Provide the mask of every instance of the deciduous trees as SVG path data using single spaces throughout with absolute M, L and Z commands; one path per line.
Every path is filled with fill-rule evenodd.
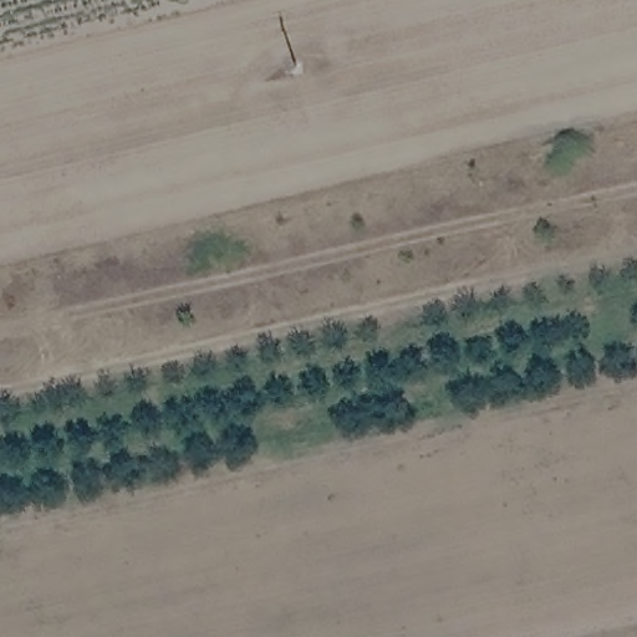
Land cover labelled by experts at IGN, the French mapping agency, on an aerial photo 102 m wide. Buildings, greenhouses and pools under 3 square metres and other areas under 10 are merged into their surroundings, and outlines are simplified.
M 62 438 L 55 435 L 55 425 L 37 425 L 30 435 L 7 433 L 0 438 L 0 515 L 20 513 L 27 505 L 60 508 L 65 503 L 65 488 L 72 483 L 77 500 L 90 503 L 97 495 L 112 490 L 117 493 L 139 485 L 162 485 L 179 478 L 182 473 L 199 475 L 214 463 L 239 468 L 249 463 L 249 458 L 256 453 L 256 438 L 251 433 L 254 413 L 259 413 L 264 406 L 299 406 L 306 398 L 323 396 L 328 386 L 323 368 L 311 366 L 291 378 L 271 376 L 264 386 L 254 386 L 251 378 L 239 378 L 226 391 L 202 388 L 194 396 L 169 396 L 164 403 L 157 406 L 144 401 L 132 408 L 129 416 L 97 418 L 92 428 L 87 425 L 87 421 L 70 421 L 67 435 Z M 174 453 L 169 448 L 152 448 L 144 455 L 132 455 L 124 448 L 124 435 L 137 430 L 144 435 L 174 430 L 174 435 L 184 443 L 184 450 Z
M 316 346 L 341 348 L 346 343 L 346 326 L 331 321 L 314 331 L 289 333 L 294 356 L 314 353 Z
M 214 353 L 199 353 L 189 363 L 162 366 L 162 376 L 167 381 L 182 381 L 182 376 L 207 373 L 216 361 Z
M 276 363 L 279 341 L 269 333 L 261 333 L 261 361 Z
M 495 309 L 508 296 L 508 289 L 498 289 L 490 299 L 475 299 L 475 294 L 468 294 L 455 296 L 450 304 L 433 301 L 423 306 L 421 321 L 423 326 L 440 323 L 455 311 L 460 319 L 473 321 L 478 309 Z
M 605 346 L 602 358 L 592 358 L 587 348 L 572 348 L 567 353 L 570 386 L 590 386 L 602 373 L 610 378 L 637 376 L 637 346 L 612 341 Z
M 498 326 L 498 331 L 493 333 L 458 341 L 448 333 L 440 333 L 428 341 L 430 361 L 423 361 L 416 346 L 406 346 L 401 351 L 376 351 L 368 353 L 363 361 L 343 361 L 333 366 L 338 386 L 346 388 L 353 383 L 368 383 L 368 393 L 351 401 L 341 401 L 328 408 L 328 416 L 333 418 L 343 438 L 361 438 L 371 428 L 378 428 L 381 433 L 411 428 L 416 423 L 416 406 L 406 401 L 403 388 L 408 381 L 423 381 L 428 373 L 443 373 L 448 381 L 450 401 L 458 406 L 458 411 L 470 416 L 475 416 L 485 406 L 500 408 L 518 401 L 540 401 L 550 393 L 557 393 L 560 388 L 557 366 L 550 358 L 552 346 L 557 346 L 565 338 L 587 336 L 590 323 L 582 314 L 537 319 L 530 326 L 508 321 Z

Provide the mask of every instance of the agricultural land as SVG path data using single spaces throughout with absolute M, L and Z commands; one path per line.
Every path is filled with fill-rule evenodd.
M 236 209 L 274 197 L 299 194 L 306 189 L 328 187 L 336 182 L 376 172 L 411 167 L 423 162 L 425 157 L 443 154 L 450 149 L 503 142 L 510 134 L 535 124 L 555 124 L 560 129 L 567 127 L 575 117 L 597 117 L 597 122 L 602 124 L 607 117 L 615 117 L 617 112 L 637 109 L 637 0 L 0 0 L 0 261 L 17 261 L 32 254 L 47 254 L 65 246 L 107 241 L 134 229 L 199 219 L 214 212 Z
M 413 450 L 401 450 L 391 453 L 388 458 L 361 458 L 346 460 L 341 465 L 326 465 L 323 455 L 314 448 L 311 455 L 284 458 L 279 468 L 254 470 L 251 480 L 241 480 L 236 473 L 231 473 L 229 478 L 216 478 L 216 493 L 204 495 L 197 508 L 174 505 L 169 515 L 152 513 L 134 495 L 129 500 L 109 503 L 112 513 L 107 515 L 107 520 L 112 523 L 112 535 L 107 542 L 95 537 L 92 532 L 82 537 L 60 537 L 62 530 L 55 528 L 45 535 L 27 528 L 22 540 L 12 542 L 10 547 L 0 547 L 0 637 L 637 637 L 637 376 L 610 378 L 602 373 L 590 386 L 570 386 L 560 388 L 557 393 L 550 393 L 540 401 L 518 401 L 500 408 L 485 406 L 475 416 L 470 416 L 460 428 L 425 438 L 421 443 L 421 448 L 425 450 L 423 455 L 416 455 Z

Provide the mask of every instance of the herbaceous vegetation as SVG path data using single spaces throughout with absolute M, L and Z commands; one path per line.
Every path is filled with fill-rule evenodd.
M 100 381 L 87 388 L 80 381 L 67 378 L 57 386 L 47 386 L 35 396 L 12 398 L 7 393 L 0 393 L 0 438 L 7 433 L 30 435 L 37 425 L 55 425 L 55 435 L 62 438 L 67 435 L 70 421 L 87 421 L 87 425 L 92 428 L 97 418 L 129 416 L 132 408 L 144 401 L 157 406 L 164 403 L 169 396 L 194 396 L 202 388 L 226 391 L 239 378 L 251 378 L 254 386 L 264 386 L 271 376 L 291 378 L 311 366 L 323 368 L 328 386 L 323 396 L 306 398 L 299 406 L 264 406 L 259 413 L 254 413 L 251 433 L 256 438 L 256 453 L 249 458 L 249 463 L 239 468 L 214 463 L 199 475 L 182 473 L 179 478 L 162 485 L 139 485 L 117 493 L 112 490 L 97 495 L 90 503 L 77 500 L 72 483 L 65 488 L 65 503 L 60 508 L 27 505 L 20 513 L 0 515 L 0 547 L 10 547 L 12 542 L 22 540 L 27 528 L 45 535 L 55 528 L 62 530 L 60 537 L 82 537 L 92 532 L 95 537 L 107 542 L 112 535 L 112 523 L 107 520 L 107 515 L 112 513 L 109 503 L 129 500 L 134 495 L 152 513 L 169 515 L 174 505 L 197 508 L 204 495 L 216 493 L 216 478 L 229 478 L 231 473 L 236 473 L 241 480 L 251 480 L 254 470 L 279 468 L 284 458 L 311 455 L 314 448 L 323 455 L 326 465 L 341 465 L 346 460 L 361 458 L 388 458 L 391 453 L 401 450 L 413 450 L 416 455 L 423 455 L 425 450 L 421 448 L 421 443 L 425 438 L 460 428 L 470 416 L 458 411 L 458 406 L 450 401 L 448 381 L 443 373 L 428 373 L 423 381 L 408 381 L 403 388 L 406 401 L 416 406 L 416 423 L 411 428 L 381 433 L 378 428 L 371 428 L 361 438 L 343 438 L 333 418 L 328 416 L 328 408 L 341 401 L 351 401 L 368 393 L 368 383 L 353 383 L 346 388 L 338 386 L 333 366 L 343 361 L 363 361 L 368 353 L 376 351 L 401 351 L 406 346 L 416 346 L 423 361 L 430 361 L 428 341 L 440 333 L 448 333 L 458 341 L 493 333 L 498 331 L 498 326 L 508 321 L 530 326 L 537 319 L 582 314 L 590 323 L 587 336 L 565 338 L 557 346 L 552 346 L 550 358 L 557 366 L 560 388 L 570 386 L 567 353 L 572 348 L 587 348 L 592 358 L 602 358 L 605 346 L 612 341 L 637 346 L 637 109 L 617 112 L 615 117 L 607 117 L 602 124 L 597 122 L 597 117 L 575 117 L 567 127 L 590 134 L 592 149 L 577 157 L 572 167 L 560 177 L 545 164 L 545 157 L 552 149 L 552 134 L 560 129 L 555 124 L 535 124 L 510 134 L 503 142 L 450 149 L 443 154 L 425 157 L 423 162 L 411 167 L 376 172 L 336 182 L 328 187 L 306 189 L 299 194 L 274 197 L 236 209 L 214 212 L 199 219 L 134 229 L 107 241 L 65 246 L 47 254 L 32 254 L 17 261 L 0 261 L 0 381 L 7 386 L 7 381 L 15 381 L 25 373 L 37 373 L 40 356 L 55 356 L 57 366 L 90 363 L 92 356 L 147 353 L 157 351 L 164 343 L 214 338 L 221 333 L 229 336 L 229 341 L 236 348 L 214 353 L 216 361 L 207 373 L 182 376 L 182 381 L 167 381 L 162 376 L 162 366 L 129 371 L 124 376 L 100 376 Z M 216 274 L 209 271 L 189 279 L 182 266 L 189 261 L 189 241 L 194 234 L 226 234 L 241 239 L 249 246 L 246 266 Z M 475 299 L 490 299 L 498 289 L 508 289 L 508 296 L 495 309 L 478 309 L 473 321 L 460 319 L 455 311 L 440 323 L 423 326 L 421 321 L 423 306 L 433 301 L 450 304 L 455 296 L 468 294 L 475 294 Z M 314 353 L 294 356 L 289 333 L 314 331 L 331 321 L 346 326 L 346 343 L 341 348 L 316 346 Z M 261 333 L 269 333 L 279 341 L 276 363 L 261 361 Z
M 184 450 L 184 443 L 174 435 L 174 430 L 144 435 L 137 430 L 124 435 L 124 448 L 132 455 L 144 455 L 152 448 L 169 448 L 174 453 Z

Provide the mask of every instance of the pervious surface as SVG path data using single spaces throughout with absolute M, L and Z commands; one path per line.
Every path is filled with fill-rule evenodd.
M 189 363 L 199 353 L 214 353 L 236 348 L 229 341 L 229 336 L 221 333 L 214 338 L 164 343 L 157 351 L 147 353 L 92 356 L 90 363 L 57 366 L 55 356 L 40 356 L 37 373 L 25 373 L 15 381 L 7 381 L 7 386 L 0 381 L 0 393 L 7 393 L 12 398 L 35 396 L 47 386 L 57 386 L 67 378 L 80 381 L 87 388 L 100 381 L 100 376 L 124 376 L 129 371 L 162 366 Z

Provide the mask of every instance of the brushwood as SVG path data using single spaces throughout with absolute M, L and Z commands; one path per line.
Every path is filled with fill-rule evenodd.
M 246 266 L 249 246 L 241 239 L 226 234 L 194 234 L 189 241 L 189 261 L 182 266 L 189 279 L 209 271 L 216 274 Z
M 560 129 L 552 134 L 552 149 L 545 157 L 545 164 L 560 177 L 572 167 L 577 157 L 592 149 L 590 134 L 567 127 Z

